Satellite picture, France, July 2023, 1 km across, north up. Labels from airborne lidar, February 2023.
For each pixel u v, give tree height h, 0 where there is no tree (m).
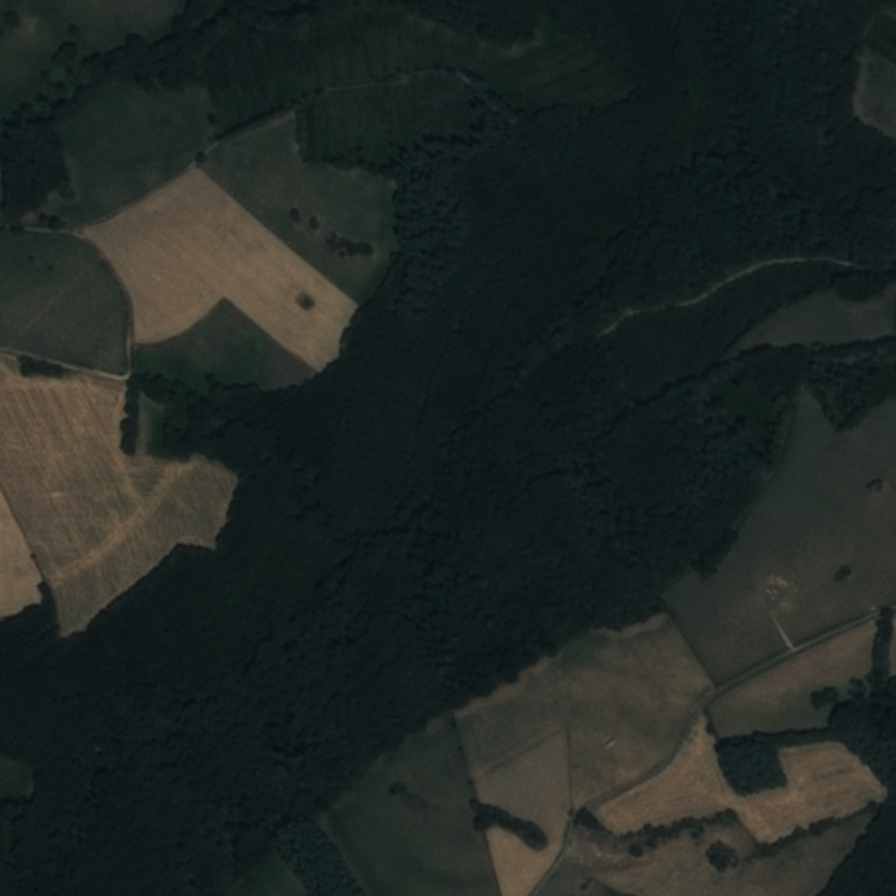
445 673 24
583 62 0
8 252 0
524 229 15
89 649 18
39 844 28
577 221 17
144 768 24
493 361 17
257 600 25
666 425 21
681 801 0
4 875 20
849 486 0
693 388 19
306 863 31
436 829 0
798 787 0
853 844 0
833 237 22
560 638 10
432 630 12
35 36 0
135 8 0
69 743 25
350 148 0
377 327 20
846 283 20
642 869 0
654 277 18
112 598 0
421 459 16
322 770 26
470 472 12
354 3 25
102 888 26
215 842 30
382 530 10
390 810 0
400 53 0
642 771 0
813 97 16
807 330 0
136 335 0
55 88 13
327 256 0
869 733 21
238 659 18
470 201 17
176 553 12
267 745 26
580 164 16
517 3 20
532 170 17
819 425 0
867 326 0
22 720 24
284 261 0
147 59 28
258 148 0
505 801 0
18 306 0
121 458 0
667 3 16
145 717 26
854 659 0
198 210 0
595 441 12
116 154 0
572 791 0
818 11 13
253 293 0
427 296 29
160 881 25
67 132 0
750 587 0
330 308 0
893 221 22
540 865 0
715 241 25
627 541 28
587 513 27
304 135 9
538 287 17
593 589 23
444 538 10
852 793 0
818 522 0
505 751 0
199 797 27
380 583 23
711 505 20
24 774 0
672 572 19
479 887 0
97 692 22
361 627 19
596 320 24
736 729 0
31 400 0
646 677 0
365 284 0
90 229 0
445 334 17
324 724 24
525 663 11
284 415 21
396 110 0
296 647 14
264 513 27
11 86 0
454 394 15
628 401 13
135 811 27
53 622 20
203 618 24
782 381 19
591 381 15
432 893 0
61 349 0
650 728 0
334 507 13
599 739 0
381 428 20
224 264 0
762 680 0
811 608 0
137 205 0
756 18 14
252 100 0
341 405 18
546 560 17
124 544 0
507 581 15
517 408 13
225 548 19
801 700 0
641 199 21
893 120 0
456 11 24
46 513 0
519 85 0
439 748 0
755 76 28
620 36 17
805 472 0
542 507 19
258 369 0
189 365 0
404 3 19
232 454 23
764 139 25
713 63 26
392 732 19
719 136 33
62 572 0
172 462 0
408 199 19
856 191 20
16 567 0
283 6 22
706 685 0
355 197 0
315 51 0
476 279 18
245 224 0
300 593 17
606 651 0
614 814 0
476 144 8
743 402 0
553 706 0
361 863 0
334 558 19
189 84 19
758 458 26
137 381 12
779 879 0
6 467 0
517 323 15
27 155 23
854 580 0
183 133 0
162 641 27
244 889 0
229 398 22
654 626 0
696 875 0
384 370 19
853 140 10
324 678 20
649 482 24
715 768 0
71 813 20
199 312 0
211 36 27
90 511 0
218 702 22
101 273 0
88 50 0
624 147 18
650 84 17
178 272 0
